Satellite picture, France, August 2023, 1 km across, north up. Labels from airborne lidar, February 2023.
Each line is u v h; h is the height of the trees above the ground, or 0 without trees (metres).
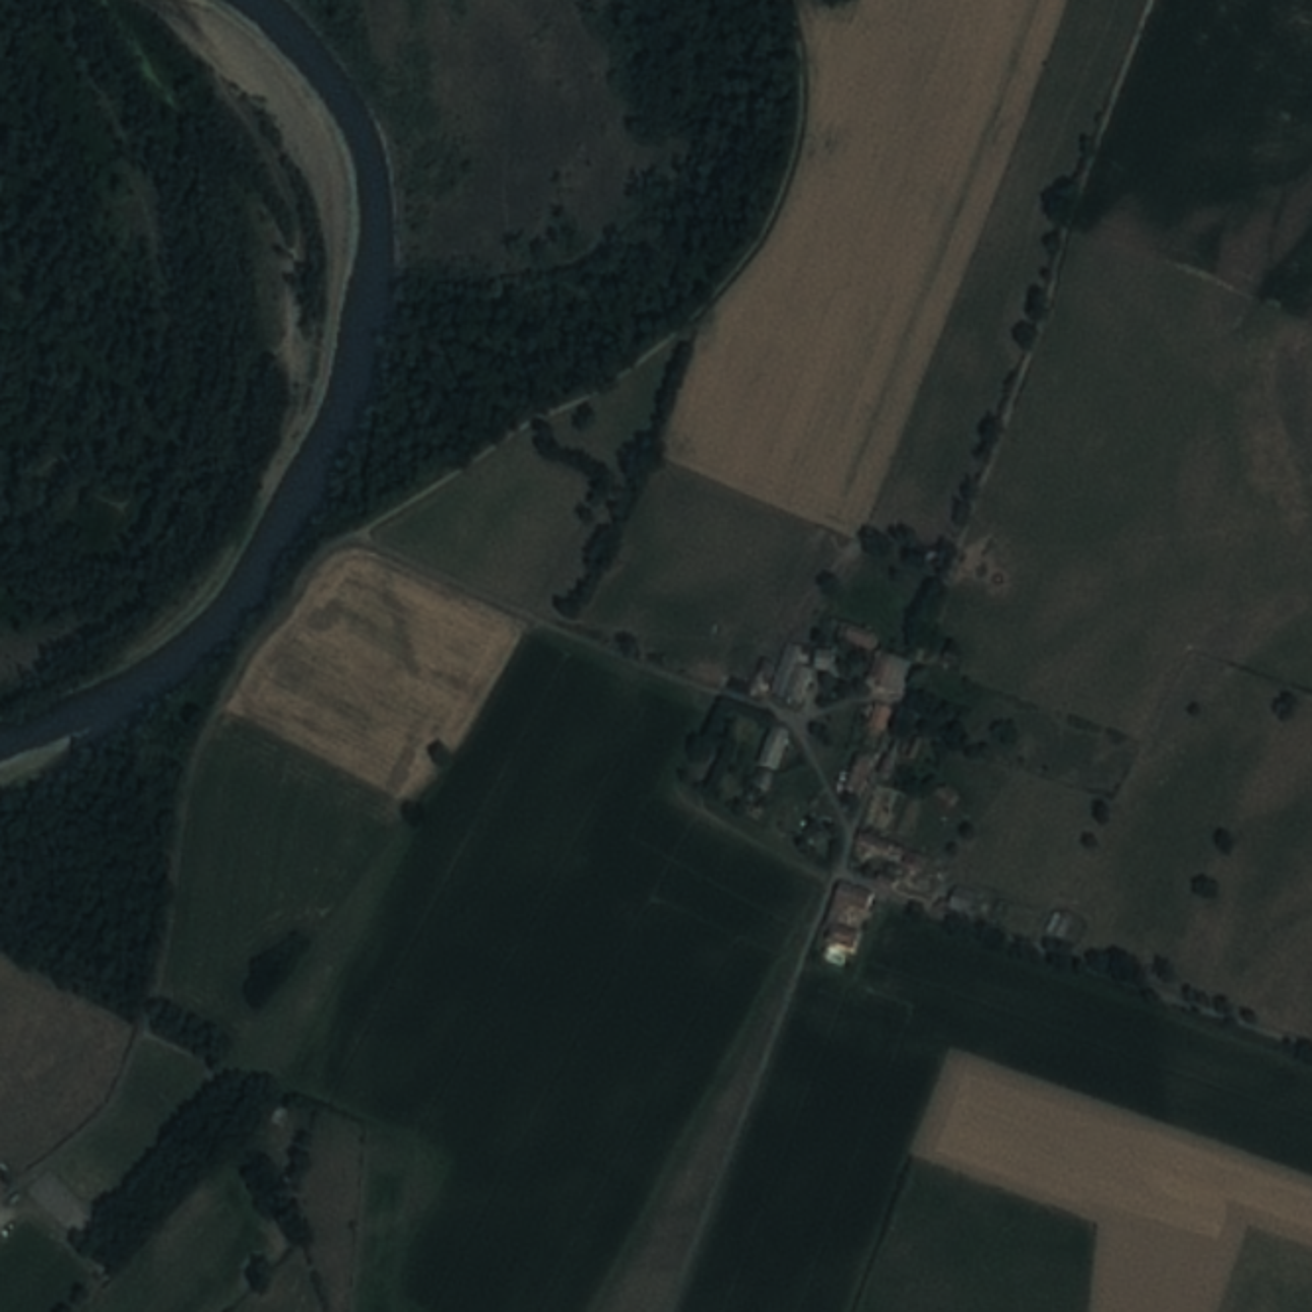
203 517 18
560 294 14
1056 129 0
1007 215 0
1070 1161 0
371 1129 0
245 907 0
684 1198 0
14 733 0
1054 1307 0
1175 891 0
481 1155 0
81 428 17
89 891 23
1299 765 0
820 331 0
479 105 0
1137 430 0
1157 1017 0
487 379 20
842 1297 0
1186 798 0
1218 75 0
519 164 0
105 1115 0
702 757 14
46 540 28
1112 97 0
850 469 0
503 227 0
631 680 0
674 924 0
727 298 0
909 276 0
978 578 0
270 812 0
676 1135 0
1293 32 0
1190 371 0
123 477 24
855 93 0
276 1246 0
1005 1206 0
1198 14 0
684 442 0
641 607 0
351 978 0
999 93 0
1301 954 0
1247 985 0
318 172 0
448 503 0
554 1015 0
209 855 0
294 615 0
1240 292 0
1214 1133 0
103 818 16
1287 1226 0
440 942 0
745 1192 0
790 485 0
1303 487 0
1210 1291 0
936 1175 0
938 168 0
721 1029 0
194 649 0
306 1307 0
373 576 0
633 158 0
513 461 0
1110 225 0
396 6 0
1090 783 0
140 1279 0
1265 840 0
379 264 0
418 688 0
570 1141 0
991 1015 0
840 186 0
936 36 0
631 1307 0
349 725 0
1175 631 0
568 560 0
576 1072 0
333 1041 0
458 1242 0
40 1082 0
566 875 0
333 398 0
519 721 0
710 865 0
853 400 0
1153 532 0
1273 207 0
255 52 0
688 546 0
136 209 0
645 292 18
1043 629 0
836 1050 0
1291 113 0
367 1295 0
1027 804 0
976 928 17
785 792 0
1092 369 0
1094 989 0
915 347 0
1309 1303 0
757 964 0
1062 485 0
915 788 8
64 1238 0
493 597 0
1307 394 0
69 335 16
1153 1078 0
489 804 0
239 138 13
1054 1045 0
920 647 14
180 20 0
